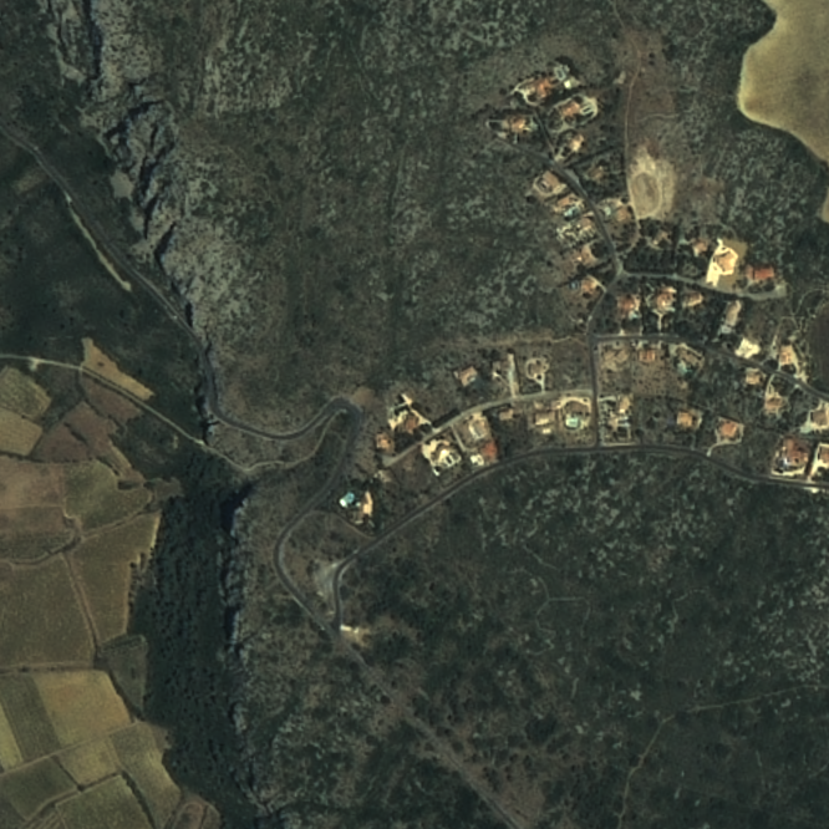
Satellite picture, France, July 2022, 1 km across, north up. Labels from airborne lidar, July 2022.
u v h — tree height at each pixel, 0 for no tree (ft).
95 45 0
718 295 24
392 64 0
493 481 0
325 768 0
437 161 0
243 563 0
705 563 27
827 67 0
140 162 0
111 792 0
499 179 0
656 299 0
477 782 0
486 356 21
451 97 0
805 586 0
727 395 0
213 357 0
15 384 0
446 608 25
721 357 0
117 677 0
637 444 0
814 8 0
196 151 0
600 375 0
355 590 0
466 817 18
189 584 28
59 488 0
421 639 30
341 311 0
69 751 0
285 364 0
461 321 0
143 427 0
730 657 0
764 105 0
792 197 0
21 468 0
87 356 0
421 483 0
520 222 0
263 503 0
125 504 0
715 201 0
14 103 0
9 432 0
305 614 0
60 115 24
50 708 0
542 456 0
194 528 24
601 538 0
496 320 0
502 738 0
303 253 0
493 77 0
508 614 0
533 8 0
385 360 0
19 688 0
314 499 0
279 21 0
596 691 0
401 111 0
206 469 49
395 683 22
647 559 0
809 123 0
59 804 0
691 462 0
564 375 0
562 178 23
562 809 0
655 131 0
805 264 0
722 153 0
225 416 0
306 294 0
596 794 19
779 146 0
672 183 0
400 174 0
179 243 0
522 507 0
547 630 0
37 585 0
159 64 0
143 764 0
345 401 0
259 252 0
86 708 0
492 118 29
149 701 30
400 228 0
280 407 0
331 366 0
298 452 0
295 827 0
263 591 0
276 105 0
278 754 0
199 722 36
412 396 0
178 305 0
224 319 0
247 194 0
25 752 0
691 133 0
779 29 0
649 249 20
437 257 0
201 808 0
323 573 0
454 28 0
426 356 0
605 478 0
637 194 0
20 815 0
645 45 0
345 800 0
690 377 21
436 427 27
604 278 29
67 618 0
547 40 0
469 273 0
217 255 0
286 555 0
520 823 0
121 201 21
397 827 0
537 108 25
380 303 0
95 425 0
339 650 0
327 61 0
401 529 0
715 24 0
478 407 0
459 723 24
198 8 0
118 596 0
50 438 0
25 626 0
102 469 0
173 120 0
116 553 0
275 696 0
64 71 0
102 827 0
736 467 0
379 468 21
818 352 0
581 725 0
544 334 0
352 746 0
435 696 0
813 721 0
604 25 0
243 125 0
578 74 26
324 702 0
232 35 0
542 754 0
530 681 18
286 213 0
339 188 0
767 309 0
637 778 0
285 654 0
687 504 0
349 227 0
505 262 0
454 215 0
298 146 0
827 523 0
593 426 0
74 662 0
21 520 0
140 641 0
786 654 0
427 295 0
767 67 0
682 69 0
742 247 0
